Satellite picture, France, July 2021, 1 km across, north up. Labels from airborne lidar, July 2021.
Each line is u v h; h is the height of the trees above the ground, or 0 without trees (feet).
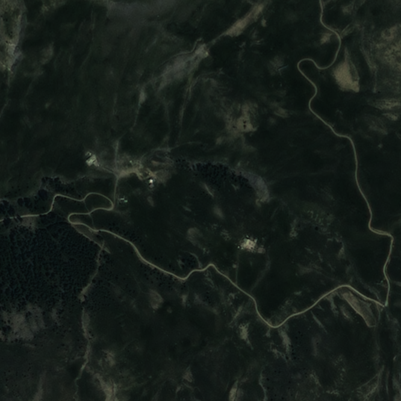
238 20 0
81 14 0
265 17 0
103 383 0
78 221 0
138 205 0
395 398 0
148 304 0
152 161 0
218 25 0
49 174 0
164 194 0
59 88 0
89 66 0
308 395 0
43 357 0
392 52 0
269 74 0
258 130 0
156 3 0
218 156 0
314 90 0
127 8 0
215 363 0
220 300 0
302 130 0
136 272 0
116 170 0
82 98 0
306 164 0
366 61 0
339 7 0
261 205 0
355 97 0
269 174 0
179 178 0
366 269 0
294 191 0
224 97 0
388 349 0
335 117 0
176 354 0
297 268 0
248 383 0
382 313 0
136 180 0
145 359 0
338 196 0
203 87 0
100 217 0
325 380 0
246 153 0
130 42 0
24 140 0
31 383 0
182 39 0
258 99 0
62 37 0
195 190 0
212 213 0
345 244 0
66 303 19
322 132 0
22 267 33
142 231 0
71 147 0
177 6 0
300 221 0
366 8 0
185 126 0
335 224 0
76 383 0
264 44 0
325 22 0
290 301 0
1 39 0
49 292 35
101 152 0
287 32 0
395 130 0
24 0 0
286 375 0
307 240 0
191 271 0
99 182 0
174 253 0
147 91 0
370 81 0
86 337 0
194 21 0
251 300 0
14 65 0
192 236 0
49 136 0
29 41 0
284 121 0
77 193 0
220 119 0
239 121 0
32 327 0
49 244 35
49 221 28
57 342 0
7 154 0
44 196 80
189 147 0
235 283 0
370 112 0
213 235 0
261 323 0
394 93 0
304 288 0
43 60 0
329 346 0
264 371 0
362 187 0
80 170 0
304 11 0
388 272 0
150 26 0
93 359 0
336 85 0
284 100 0
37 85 0
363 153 0
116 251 0
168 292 0
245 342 0
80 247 34
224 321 0
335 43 0
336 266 0
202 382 0
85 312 0
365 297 0
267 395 0
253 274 0
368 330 0
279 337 0
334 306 0
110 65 0
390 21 0
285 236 0
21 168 0
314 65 0
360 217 0
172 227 0
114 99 0
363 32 0
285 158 0
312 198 0
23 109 0
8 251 35
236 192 0
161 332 0
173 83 0
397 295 0
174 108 0
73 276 28
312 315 0
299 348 0
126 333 0
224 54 0
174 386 0
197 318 0
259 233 0
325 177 0
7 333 37
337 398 0
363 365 0
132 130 0
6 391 0
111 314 0
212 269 0
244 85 0
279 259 0
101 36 0
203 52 0
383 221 0
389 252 0
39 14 0
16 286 31
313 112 0
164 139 0
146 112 0
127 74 0
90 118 0
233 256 0
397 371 0
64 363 0
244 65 0
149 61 0
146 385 0
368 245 0
